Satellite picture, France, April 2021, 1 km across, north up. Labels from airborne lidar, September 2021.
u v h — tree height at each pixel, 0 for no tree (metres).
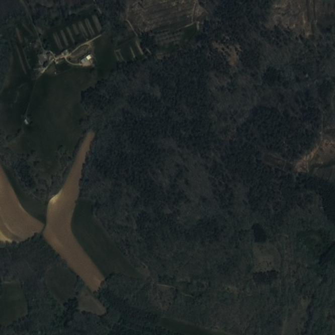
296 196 27
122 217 18
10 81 0
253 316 15
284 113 12
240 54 0
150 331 13
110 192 20
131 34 19
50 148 0
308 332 14
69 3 9
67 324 14
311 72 8
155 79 25
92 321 18
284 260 15
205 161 23
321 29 0
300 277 13
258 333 18
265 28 0
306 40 0
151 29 0
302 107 24
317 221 22
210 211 19
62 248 0
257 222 18
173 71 24
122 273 0
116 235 15
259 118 31
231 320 14
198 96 24
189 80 24
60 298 0
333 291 18
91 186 20
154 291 12
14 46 9
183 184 16
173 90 23
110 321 15
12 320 0
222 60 0
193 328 0
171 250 19
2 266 12
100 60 0
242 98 20
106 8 24
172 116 18
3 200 0
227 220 20
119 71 16
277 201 23
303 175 13
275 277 10
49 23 20
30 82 0
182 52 22
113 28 15
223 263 17
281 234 20
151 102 26
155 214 22
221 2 17
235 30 0
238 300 7
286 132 25
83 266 0
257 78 27
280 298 14
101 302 15
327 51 19
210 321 12
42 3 19
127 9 18
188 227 20
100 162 19
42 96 0
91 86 0
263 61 25
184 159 18
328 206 19
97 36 0
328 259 19
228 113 22
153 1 0
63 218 0
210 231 23
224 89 15
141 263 9
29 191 11
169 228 21
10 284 0
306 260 14
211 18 15
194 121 11
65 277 0
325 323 13
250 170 26
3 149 15
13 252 8
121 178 25
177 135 24
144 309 13
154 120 17
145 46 17
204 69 24
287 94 14
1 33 20
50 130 0
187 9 0
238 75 15
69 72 0
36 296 21
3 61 20
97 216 16
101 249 0
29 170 20
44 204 0
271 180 25
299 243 17
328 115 17
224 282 16
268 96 9
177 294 12
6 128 0
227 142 9
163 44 9
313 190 18
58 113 0
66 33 0
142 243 17
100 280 0
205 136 17
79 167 0
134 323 12
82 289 21
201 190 23
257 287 14
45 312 24
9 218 0
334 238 19
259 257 0
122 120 21
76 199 0
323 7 0
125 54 0
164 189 19
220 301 12
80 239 0
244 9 17
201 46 26
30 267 11
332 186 17
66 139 0
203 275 16
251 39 17
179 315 15
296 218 21
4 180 0
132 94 21
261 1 20
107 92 23
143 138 27
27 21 12
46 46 9
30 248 8
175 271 15
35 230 0
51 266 10
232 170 25
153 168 22
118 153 20
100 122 21
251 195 27
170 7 0
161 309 11
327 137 0
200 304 15
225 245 14
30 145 0
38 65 0
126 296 18
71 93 0
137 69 24
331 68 14
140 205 22
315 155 0
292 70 11
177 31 8
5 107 0
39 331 21
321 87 17
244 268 21
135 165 24
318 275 12
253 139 28
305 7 0
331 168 0
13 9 17
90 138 0
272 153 22
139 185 25
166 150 18
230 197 19
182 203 19
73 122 0
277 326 16
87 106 26
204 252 16
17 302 0
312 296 11
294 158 19
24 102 0
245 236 18
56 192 16
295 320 0
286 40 0
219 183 16
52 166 0
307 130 13
